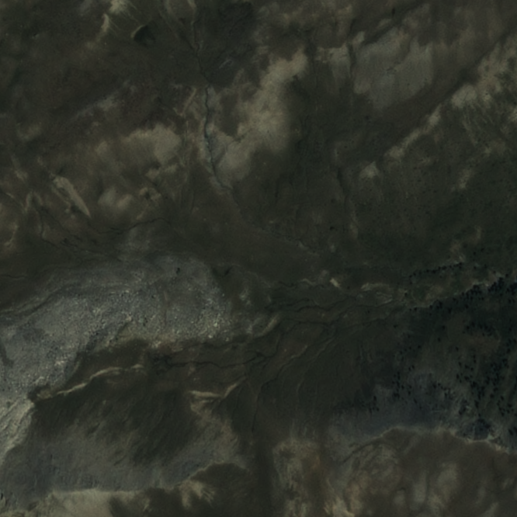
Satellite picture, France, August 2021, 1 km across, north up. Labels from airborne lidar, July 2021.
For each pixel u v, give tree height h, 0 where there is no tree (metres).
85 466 0
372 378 0
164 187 0
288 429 0
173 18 0
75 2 0
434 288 0
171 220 0
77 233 0
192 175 0
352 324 0
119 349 0
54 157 0
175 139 0
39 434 0
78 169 0
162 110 0
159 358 0
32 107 0
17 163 0
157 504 0
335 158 0
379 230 0
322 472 0
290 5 0
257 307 0
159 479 0
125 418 0
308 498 0
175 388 0
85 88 0
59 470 0
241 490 0
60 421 0
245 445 0
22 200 0
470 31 0
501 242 0
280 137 0
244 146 0
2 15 0
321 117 0
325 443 0
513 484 0
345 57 0
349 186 0
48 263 0
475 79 0
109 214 0
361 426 0
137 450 0
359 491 0
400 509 0
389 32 0
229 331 0
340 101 0
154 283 0
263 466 0
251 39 0
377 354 0
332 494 0
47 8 0
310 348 0
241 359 0
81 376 0
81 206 0
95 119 0
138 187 0
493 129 0
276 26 0
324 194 0
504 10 0
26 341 0
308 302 0
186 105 0
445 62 0
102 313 0
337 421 0
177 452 0
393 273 0
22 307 0
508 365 8
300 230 0
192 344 0
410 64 0
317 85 0
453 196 0
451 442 0
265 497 0
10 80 0
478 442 0
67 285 0
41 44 0
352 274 0
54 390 0
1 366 0
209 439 0
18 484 0
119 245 0
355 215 0
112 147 0
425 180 0
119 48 0
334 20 0
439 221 0
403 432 0
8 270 0
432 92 0
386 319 0
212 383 0
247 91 0
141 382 0
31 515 0
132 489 0
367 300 0
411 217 0
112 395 0
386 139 0
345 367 0
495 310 0
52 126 0
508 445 0
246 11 0
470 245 0
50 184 0
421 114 0
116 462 0
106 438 0
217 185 0
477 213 0
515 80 0
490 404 0
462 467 0
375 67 0
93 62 0
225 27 0
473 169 0
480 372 0
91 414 0
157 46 0
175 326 0
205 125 0
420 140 0
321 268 0
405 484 0
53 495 0
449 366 0
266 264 0
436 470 0
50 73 0
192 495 0
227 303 0
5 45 0
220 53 0
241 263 0
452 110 0
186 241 0
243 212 0
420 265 0
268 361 0
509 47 0
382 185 0
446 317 0
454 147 0
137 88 0
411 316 0
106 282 0
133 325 0
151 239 0
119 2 0
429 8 0
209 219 0
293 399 0
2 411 0
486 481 0
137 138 0
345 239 0
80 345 0
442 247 0
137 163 0
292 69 0
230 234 0
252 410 0
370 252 0
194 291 0
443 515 0
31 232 0
